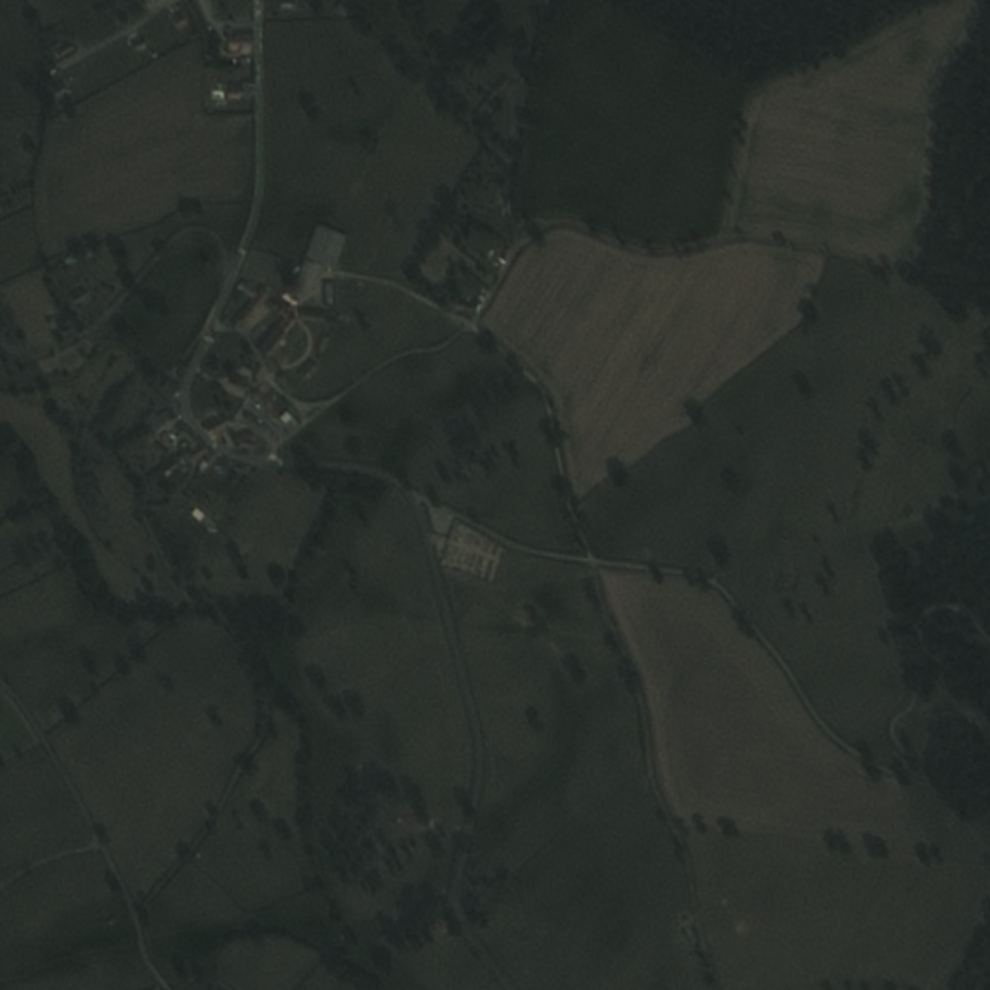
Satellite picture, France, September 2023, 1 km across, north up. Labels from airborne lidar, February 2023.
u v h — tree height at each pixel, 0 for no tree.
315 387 0
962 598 8
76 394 0
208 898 0
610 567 0
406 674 0
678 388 0
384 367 0
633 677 14
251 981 0
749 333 0
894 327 0
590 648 0
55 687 0
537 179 0
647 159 0
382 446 0
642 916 0
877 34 0
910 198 0
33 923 0
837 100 0
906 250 0
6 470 0
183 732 0
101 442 13
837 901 0
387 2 0
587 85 0
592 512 0
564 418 0
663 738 0
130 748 0
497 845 0
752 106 0
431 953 0
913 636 18
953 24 0
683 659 0
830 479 0
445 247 0
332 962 21
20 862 0
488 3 8
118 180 0
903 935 0
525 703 0
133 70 0
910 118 0
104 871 0
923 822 0
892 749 0
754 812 0
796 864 0
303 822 16
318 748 0
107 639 0
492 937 0
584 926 0
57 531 17
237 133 0
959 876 0
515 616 0
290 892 0
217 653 0
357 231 0
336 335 0
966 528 8
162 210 0
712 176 0
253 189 0
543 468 0
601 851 0
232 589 0
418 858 0
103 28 0
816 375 0
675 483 0
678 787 0
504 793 0
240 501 0
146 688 0
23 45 0
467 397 0
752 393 0
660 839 0
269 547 0
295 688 0
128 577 0
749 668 0
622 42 0
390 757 0
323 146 0
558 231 0
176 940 0
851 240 0
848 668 0
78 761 0
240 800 0
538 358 0
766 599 0
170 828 0
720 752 0
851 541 0
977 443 0
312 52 0
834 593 0
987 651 10
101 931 0
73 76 0
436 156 0
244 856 0
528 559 0
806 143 0
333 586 0
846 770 0
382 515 0
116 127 0
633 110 0
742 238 12
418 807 14
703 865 0
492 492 0
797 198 0
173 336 0
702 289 0
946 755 20
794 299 0
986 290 7
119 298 0
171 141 0
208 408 0
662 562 0
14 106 0
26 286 0
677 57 0
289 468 0
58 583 0
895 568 12
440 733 0
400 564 0
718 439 0
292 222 0
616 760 0
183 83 0
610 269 0
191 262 0
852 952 0
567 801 0
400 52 13
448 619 0
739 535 0
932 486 0
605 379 0
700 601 0
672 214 0
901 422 0
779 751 0
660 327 0
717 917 0
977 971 14
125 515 0
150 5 0
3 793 0
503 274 0
